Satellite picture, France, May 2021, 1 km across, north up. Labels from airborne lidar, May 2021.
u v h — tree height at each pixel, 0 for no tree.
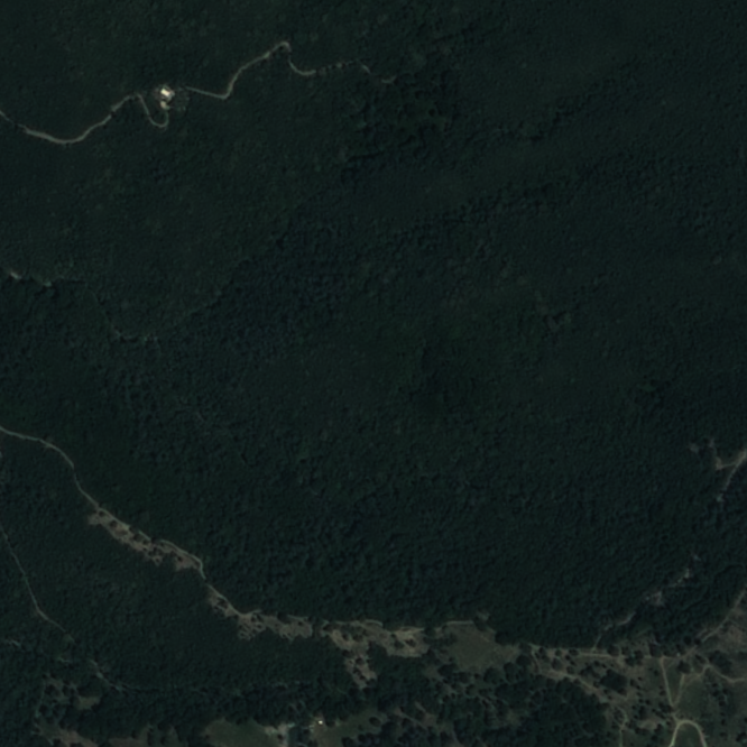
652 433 10
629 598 11
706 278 7
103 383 6
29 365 6
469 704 19
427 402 20
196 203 7
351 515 23
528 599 13
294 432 11
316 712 14
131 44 6
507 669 13
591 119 8
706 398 11
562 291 9
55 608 10
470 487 19
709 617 14
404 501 23
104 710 20
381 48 7
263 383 8
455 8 10
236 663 9
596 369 8
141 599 8
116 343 20
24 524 9
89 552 8
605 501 8
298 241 17
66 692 14
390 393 12
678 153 7
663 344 12
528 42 10
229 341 16
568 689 11
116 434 6
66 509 6
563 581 13
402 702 22
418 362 9
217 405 13
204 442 13
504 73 7
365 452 8
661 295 7
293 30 11
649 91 6
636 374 10
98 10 10
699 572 9
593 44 5
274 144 7
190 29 10
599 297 7
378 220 8
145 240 10
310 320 15
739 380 12
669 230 9
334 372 8
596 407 12
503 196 11
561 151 8
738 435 7
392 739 22
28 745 8
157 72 12
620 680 15
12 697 22
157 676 22
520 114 6
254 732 0
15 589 14
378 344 7
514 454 8
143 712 17
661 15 6
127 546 7
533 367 7
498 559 20
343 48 8
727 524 17
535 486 13
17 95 6
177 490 6
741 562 14
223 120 6
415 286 8
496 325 8
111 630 11
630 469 11
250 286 12
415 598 15
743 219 7
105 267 10
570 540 20
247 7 6
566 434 11
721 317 8
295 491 27
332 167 12
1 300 25
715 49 6
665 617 13
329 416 9
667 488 11
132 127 7
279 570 14
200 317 14
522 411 16
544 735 21
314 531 18
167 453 11
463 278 10
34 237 7
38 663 19
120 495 6
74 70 11
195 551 9
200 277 9
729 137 8
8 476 14
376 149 12
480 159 6
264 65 14
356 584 14
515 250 8
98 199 6
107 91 8
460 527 14
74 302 17
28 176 6
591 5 7
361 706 20
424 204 6
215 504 16
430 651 6
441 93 22
